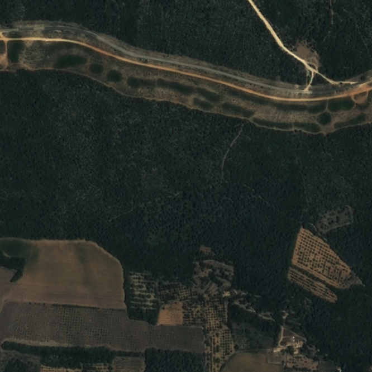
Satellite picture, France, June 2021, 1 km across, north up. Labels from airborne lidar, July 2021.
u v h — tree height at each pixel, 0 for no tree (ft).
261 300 47
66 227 21
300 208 47
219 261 30
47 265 0
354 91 0
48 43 0
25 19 17
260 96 0
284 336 0
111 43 0
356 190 27
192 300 28
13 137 33
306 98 0
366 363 39
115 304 0
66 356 19
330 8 45
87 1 17
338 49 27
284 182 21
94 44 0
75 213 20
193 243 22
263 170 31
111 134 30
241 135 20
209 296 23
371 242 36
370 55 27
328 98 0
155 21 20
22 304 0
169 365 49
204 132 31
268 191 47
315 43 34
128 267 32
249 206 52
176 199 45
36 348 32
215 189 54
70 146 24
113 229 34
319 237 26
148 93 0
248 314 34
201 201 33
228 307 32
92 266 0
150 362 37
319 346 37
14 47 0
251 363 0
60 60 0
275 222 51
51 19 41
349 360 48
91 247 0
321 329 38
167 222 47
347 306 30
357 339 27
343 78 33
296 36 22
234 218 30
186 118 20
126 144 20
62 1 21
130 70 0
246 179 19
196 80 0
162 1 42
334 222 45
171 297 24
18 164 33
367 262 26
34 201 33
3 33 0
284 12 21
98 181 23
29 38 0
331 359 43
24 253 0
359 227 28
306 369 26
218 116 17
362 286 19
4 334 0
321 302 34
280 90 0
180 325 0
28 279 0
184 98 0
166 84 0
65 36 0
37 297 0
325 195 23
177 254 32
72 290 0
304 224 46
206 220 27
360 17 20
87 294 0
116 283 0
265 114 0
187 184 31
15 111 40
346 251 41
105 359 50
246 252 54
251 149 34
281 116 0
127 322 0
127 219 26
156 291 24
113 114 24
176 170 17
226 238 43
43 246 0
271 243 25
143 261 56
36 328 0
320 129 0
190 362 43
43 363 24
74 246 0
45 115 28
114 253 32
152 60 0
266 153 19
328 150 23
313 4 21
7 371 41
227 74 0
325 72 20
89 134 30
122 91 0
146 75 0
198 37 34
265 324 23
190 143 19
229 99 0
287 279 26
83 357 31
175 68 0
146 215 46
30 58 0
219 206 42
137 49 0
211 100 0
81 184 31
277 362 0
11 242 0
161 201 37
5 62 0
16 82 27
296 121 0
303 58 0
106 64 0
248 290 36
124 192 36
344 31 45
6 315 0
